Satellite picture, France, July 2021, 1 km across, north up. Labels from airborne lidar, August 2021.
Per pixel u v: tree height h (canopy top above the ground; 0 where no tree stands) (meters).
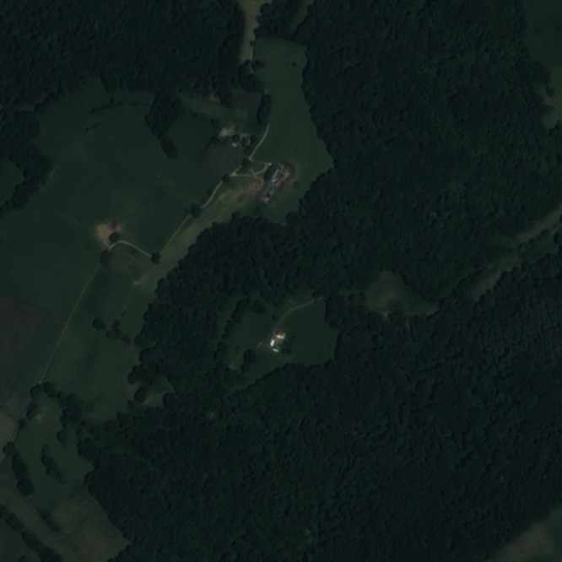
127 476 27
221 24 24
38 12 20
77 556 0
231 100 20
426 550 22
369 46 21
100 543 0
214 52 29
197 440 22
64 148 0
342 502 28
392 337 30
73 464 0
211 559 23
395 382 29
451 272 22
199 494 24
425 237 28
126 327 0
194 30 27
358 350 31
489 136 20
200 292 26
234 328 24
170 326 25
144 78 23
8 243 0
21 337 0
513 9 11
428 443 25
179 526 26
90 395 0
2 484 0
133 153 0
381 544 26
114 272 0
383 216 23
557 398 26
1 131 20
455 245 29
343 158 26
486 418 24
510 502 26
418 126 33
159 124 19
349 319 30
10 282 0
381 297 0
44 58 21
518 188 23
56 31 25
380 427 22
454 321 7
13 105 14
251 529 25
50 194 0
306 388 7
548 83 7
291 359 0
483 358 27
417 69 23
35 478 0
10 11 28
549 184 29
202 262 28
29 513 0
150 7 26
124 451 0
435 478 26
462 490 29
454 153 28
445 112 33
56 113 0
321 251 22
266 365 0
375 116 25
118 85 19
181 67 25
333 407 28
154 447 23
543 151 30
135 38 21
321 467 27
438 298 29
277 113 0
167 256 0
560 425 21
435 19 12
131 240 0
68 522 0
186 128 0
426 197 25
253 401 25
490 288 0
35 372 0
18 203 17
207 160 0
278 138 0
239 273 33
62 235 0
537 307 30
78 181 0
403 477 26
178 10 20
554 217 0
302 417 27
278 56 0
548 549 0
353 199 31
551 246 0
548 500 23
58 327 0
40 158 23
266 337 0
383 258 27
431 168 24
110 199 0
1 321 0
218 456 18
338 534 25
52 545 0
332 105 32
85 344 0
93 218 0
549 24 0
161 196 0
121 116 0
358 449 39
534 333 25
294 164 0
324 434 23
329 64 31
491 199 29
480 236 28
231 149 0
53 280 0
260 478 20
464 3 20
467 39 20
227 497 22
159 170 0
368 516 23
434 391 13
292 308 0
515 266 0
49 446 6
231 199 0
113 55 23
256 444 16
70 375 0
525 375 31
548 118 0
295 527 27
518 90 20
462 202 31
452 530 24
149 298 0
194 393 20
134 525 23
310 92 19
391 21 28
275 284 23
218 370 18
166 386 0
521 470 25
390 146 27
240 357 0
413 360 12
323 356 0
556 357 27
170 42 22
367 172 26
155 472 9
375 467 19
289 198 0
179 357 16
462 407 34
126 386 0
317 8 20
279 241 33
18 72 18
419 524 26
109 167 0
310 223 29
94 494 18
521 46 18
